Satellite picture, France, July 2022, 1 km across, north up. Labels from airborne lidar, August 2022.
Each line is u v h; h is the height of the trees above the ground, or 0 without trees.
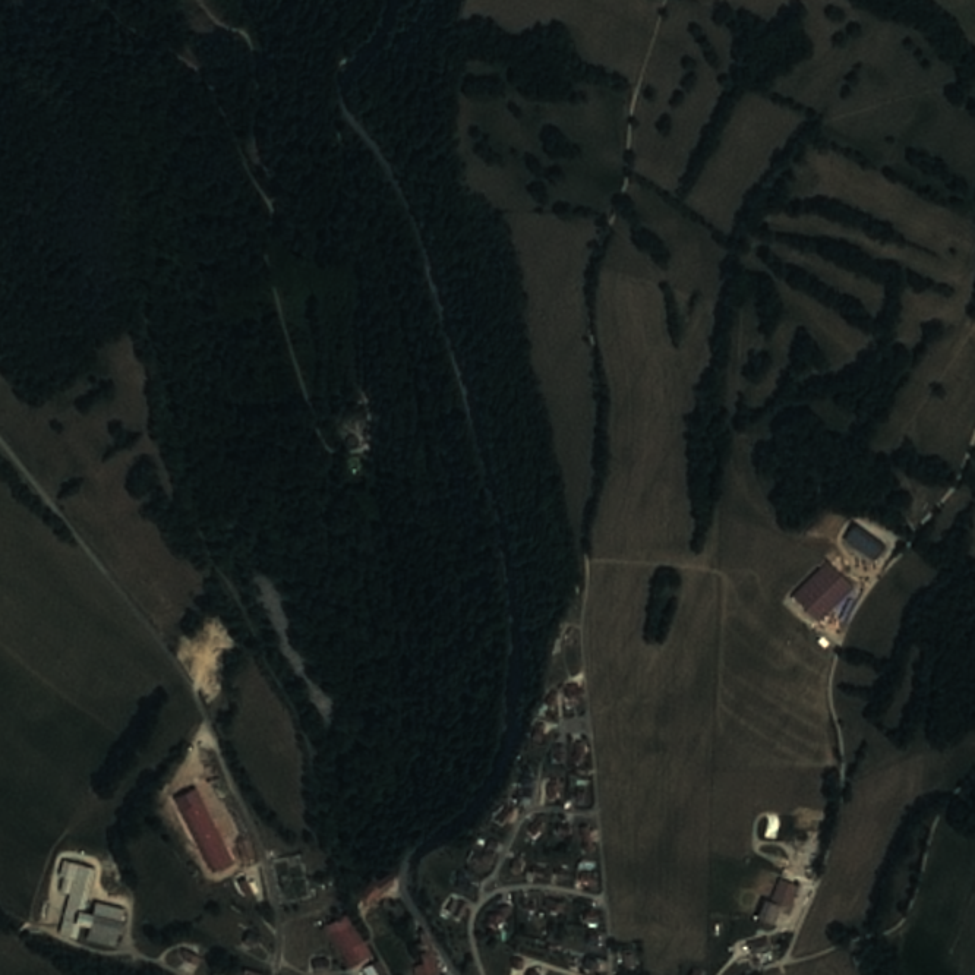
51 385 16
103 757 0
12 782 0
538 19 0
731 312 17
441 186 20
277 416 12
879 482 18
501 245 17
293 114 29
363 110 19
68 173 23
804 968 0
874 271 17
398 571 13
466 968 10
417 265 11
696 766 0
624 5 0
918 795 0
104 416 0
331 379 8
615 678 0
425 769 25
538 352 0
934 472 16
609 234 13
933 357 0
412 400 18
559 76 14
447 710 28
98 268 23
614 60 0
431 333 24
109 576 0
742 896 0
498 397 21
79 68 31
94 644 0
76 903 0
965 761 0
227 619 14
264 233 29
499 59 16
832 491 18
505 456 20
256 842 0
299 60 24
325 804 31
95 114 28
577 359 0
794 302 0
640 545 0
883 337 12
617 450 0
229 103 25
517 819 0
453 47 27
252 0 13
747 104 0
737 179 0
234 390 28
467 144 0
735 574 0
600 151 0
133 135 31
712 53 10
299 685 26
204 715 0
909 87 0
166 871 0
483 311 20
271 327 12
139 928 0
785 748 0
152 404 14
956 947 0
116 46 21
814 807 0
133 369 0
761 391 0
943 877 0
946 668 20
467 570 20
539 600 20
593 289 12
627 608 0
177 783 0
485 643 25
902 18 18
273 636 27
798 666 0
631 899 0
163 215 27
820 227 0
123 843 15
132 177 23
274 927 0
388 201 24
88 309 25
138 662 0
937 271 0
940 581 10
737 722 0
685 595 0
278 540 27
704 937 0
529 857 0
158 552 0
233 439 21
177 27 19
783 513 15
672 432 0
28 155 21
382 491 15
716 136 12
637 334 0
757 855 0
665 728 0
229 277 26
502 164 8
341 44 25
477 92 10
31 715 0
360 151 22
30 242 25
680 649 0
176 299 31
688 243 0
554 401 0
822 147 16
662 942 0
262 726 0
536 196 13
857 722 0
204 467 28
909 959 0
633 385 0
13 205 22
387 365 28
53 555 0
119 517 0
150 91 26
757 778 0
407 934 8
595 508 11
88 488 0
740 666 0
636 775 0
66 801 0
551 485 20
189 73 22
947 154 0
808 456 17
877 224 18
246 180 20
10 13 25
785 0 0
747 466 0
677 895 0
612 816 0
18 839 0
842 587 0
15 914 0
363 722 23
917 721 15
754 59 16
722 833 0
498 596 22
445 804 23
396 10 25
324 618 33
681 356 0
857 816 0
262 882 0
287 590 23
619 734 0
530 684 22
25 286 19
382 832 23
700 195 0
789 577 0
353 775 29
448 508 23
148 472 14
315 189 22
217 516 19
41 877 0
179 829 0
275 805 0
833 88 0
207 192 29
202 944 0
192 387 21
